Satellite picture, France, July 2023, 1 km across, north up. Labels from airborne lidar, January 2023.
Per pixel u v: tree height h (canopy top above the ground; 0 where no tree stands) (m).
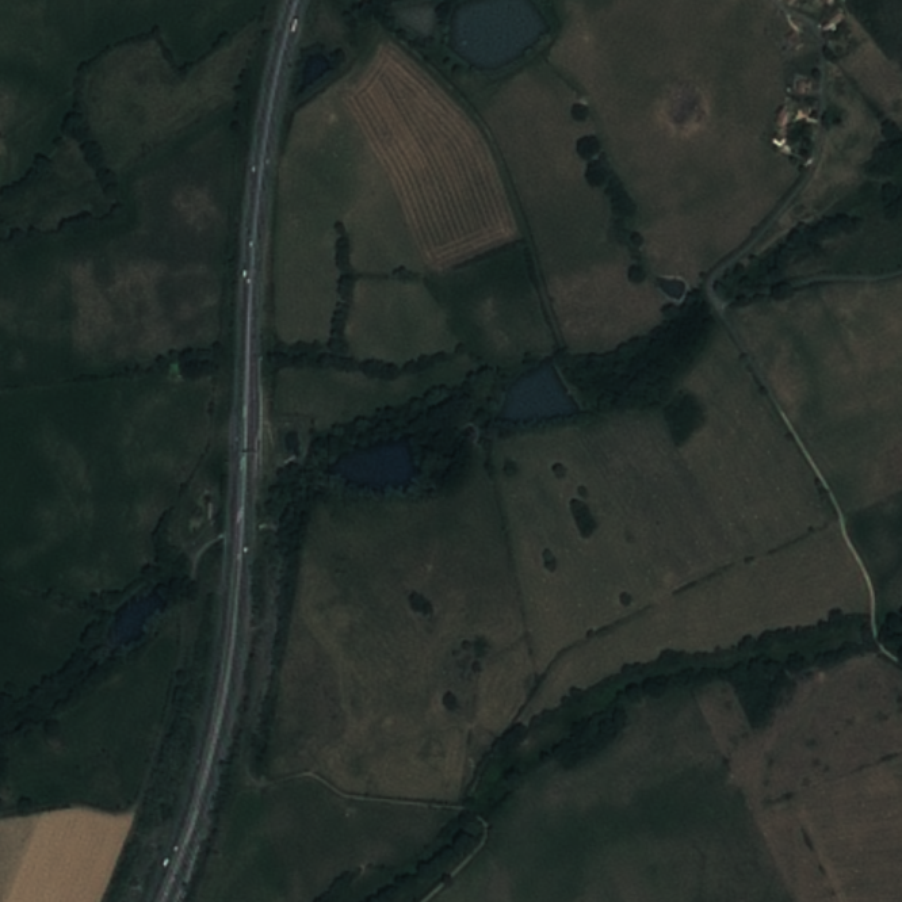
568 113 0
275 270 0
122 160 0
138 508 0
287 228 0
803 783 0
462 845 20
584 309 0
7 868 0
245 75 9
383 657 0
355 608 0
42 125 0
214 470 0
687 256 0
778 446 0
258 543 0
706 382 0
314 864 0
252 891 0
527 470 0
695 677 9
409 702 0
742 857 0
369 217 0
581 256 0
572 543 0
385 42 0
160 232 0
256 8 0
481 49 0
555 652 0
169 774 8
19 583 0
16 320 0
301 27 0
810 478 0
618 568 0
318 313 0
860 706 0
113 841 0
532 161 0
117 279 0
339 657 0
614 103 0
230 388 0
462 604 0
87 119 14
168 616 26
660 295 0
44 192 0
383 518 0
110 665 17
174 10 0
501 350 0
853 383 0
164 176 0
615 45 0
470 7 0
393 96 0
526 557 0
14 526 0
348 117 0
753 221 0
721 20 0
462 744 0
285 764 0
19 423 0
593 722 12
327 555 0
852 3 0
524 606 0
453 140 0
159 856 0
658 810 0
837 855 0
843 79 0
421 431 7
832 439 0
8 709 19
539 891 0
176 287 0
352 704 0
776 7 0
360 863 0
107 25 0
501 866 0
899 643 18
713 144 0
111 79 0
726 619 0
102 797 0
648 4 0
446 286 0
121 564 0
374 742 0
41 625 0
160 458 0
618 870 0
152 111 0
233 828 0
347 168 0
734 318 0
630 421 0
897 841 0
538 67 0
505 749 15
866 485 0
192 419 0
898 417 0
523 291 0
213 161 0
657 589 0
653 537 0
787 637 14
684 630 0
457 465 14
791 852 0
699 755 0
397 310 0
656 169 0
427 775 0
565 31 0
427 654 0
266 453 0
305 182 0
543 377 0
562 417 10
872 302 0
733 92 0
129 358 0
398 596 0
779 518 0
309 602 0
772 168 0
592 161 12
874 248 0
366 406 0
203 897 0
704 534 0
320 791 0
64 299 0
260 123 0
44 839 0
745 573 0
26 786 0
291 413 0
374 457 0
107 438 0
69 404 0
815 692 0
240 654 0
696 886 0
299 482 11
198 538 0
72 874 0
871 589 0
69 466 0
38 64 0
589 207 0
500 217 0
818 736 0
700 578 0
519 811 0
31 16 0
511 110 0
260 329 0
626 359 14
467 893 0
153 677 0
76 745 0
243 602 0
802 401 0
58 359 0
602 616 0
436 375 0
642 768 0
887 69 0
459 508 0
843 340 0
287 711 0
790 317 0
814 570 0
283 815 0
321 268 0
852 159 0
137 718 0
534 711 0
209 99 0
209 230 0
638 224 0
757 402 0
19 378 0
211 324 0
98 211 0
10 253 0
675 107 0
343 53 13
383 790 0
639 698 20
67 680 17
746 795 0
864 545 0
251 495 0
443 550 0
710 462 0
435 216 0
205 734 0
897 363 0
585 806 0
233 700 0
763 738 0
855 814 0
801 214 0
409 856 0
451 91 0
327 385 0
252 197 0
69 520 0
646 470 0
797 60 0
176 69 6
